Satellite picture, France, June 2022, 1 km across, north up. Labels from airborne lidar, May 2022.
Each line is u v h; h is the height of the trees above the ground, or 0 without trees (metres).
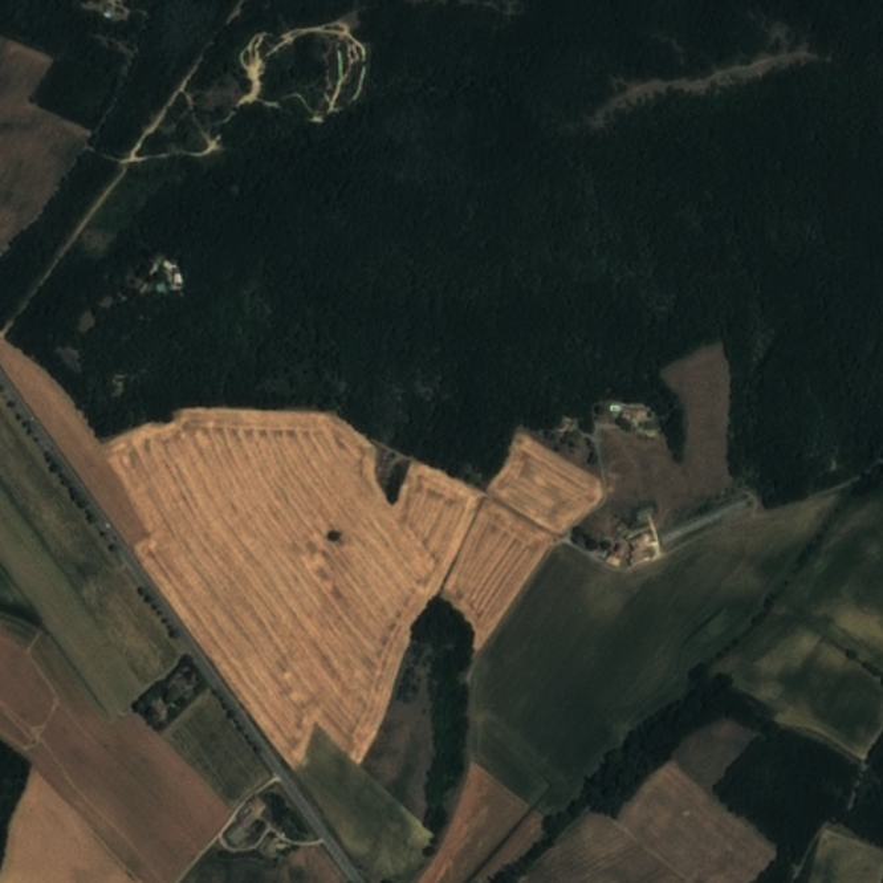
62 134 0
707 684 8
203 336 11
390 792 0
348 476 0
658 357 12
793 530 0
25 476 0
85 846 0
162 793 0
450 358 9
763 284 10
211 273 10
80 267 9
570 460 0
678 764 0
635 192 15
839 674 0
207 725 0
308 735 0
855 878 0
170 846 0
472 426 8
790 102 13
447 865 0
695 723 9
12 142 0
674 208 10
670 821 0
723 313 9
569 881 0
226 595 0
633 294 11
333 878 0
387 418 8
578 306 12
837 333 13
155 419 13
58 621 0
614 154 12
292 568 0
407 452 12
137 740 0
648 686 0
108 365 12
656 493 0
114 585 0
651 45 6
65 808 0
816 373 6
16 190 0
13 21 15
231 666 0
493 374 11
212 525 0
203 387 12
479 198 10
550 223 13
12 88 0
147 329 12
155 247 15
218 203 17
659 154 14
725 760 0
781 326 7
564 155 10
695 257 12
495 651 0
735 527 0
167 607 0
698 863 0
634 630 0
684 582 0
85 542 0
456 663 11
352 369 11
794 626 0
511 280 13
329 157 15
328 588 0
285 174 9
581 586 0
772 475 14
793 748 12
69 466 0
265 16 7
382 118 9
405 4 6
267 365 12
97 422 11
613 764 21
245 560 0
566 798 0
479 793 0
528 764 0
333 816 0
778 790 10
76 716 0
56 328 15
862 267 8
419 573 0
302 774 0
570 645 0
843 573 0
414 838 0
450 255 14
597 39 9
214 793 0
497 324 7
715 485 0
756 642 0
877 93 13
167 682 9
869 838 11
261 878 0
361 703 0
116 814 0
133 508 0
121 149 13
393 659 0
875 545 0
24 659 0
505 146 7
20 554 0
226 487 0
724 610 0
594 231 12
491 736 0
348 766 0
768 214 11
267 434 0
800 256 11
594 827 0
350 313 13
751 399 12
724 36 10
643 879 0
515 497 0
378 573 0
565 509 0
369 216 12
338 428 0
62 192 11
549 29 12
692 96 8
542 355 12
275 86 11
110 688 0
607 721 0
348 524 0
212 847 0
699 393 0
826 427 9
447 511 0
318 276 13
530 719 0
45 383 0
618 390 14
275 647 0
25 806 0
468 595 0
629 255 12
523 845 0
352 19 0
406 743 0
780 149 11
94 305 13
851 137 13
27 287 12
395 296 17
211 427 0
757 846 0
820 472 8
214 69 5
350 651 0
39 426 0
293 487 0
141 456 0
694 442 0
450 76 7
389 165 8
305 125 13
